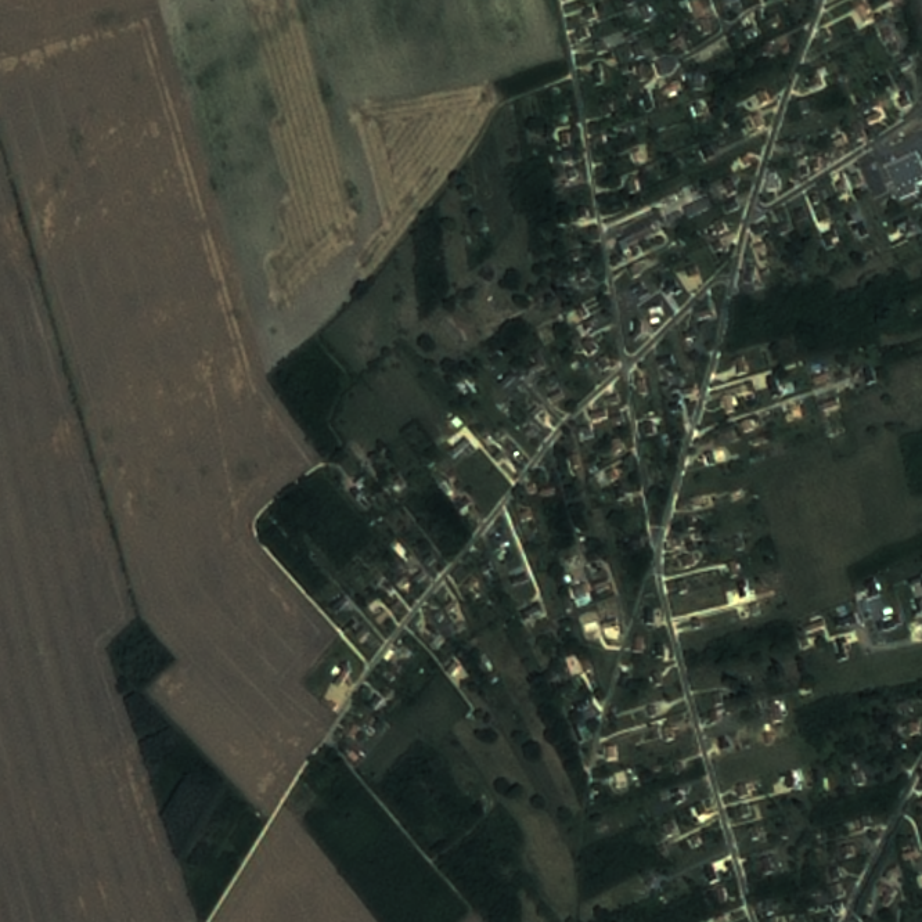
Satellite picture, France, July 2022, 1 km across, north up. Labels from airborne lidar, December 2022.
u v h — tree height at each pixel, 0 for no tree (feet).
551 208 26
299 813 0
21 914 0
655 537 0
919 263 0
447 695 0
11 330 0
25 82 0
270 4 0
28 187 0
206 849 24
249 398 0
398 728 0
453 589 0
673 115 0
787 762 0
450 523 22
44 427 0
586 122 0
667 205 0
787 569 0
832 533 0
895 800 36
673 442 19
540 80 0
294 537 30
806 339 28
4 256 0
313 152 0
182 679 0
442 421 0
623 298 0
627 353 0
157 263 0
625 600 0
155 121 0
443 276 26
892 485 0
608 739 0
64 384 0
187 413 0
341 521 20
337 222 0
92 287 0
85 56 0
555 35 0
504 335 41
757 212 0
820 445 0
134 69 0
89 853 0
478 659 28
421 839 24
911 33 23
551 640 26
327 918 0
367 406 0
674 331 0
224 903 0
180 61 0
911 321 20
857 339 19
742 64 36
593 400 0
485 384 0
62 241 0
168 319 0
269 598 0
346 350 0
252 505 0
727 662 33
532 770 0
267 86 0
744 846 0
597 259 37
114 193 0
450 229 28
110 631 0
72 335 0
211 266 0
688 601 0
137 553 0
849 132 27
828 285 35
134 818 0
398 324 0
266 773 0
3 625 0
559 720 43
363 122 0
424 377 25
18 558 0
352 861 23
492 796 0
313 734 0
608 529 0
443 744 0
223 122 0
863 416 0
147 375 0
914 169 0
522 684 0
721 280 0
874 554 0
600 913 44
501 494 0
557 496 26
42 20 0
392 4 0
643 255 0
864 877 0
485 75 0
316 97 0
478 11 0
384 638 0
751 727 0
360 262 0
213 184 0
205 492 0
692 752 0
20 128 0
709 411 0
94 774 0
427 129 0
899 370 0
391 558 31
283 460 0
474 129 0
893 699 40
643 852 25
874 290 44
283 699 0
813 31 0
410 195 0
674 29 0
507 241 0
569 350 31
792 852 32
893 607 0
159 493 0
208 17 0
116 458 0
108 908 0
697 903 25
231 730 0
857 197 37
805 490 0
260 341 0
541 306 49
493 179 0
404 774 39
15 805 0
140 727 38
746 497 0
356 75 0
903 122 0
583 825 0
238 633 0
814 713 20
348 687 0
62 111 0
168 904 0
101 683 0
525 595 0
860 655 0
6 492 0
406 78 0
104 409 0
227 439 0
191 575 0
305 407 18
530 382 0
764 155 0
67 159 0
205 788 54
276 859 0
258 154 0
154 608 0
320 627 0
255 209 0
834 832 27
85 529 0
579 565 0
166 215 0
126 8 0
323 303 0
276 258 0
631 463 33
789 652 0
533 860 0
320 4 0
